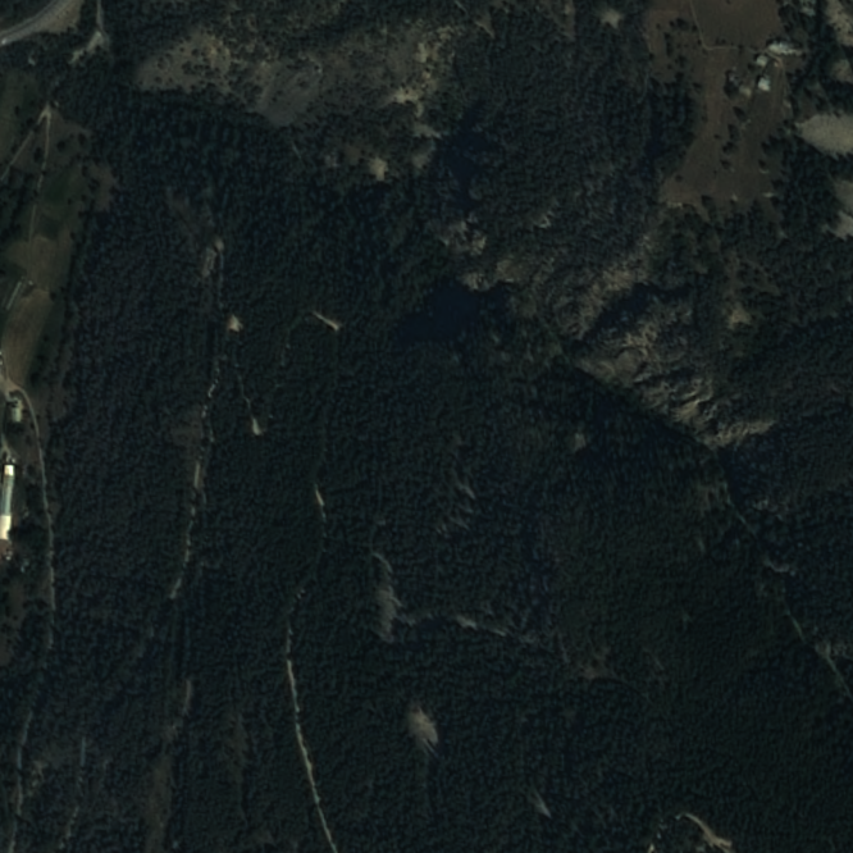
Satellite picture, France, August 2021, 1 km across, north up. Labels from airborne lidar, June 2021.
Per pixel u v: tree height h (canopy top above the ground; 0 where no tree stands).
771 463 9
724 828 14
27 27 0
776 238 14
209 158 9
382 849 15
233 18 9
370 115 10
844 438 19
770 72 0
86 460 12
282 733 18
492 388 11
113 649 12
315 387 17
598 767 14
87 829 11
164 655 10
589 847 19
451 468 9
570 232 6
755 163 0
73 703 10
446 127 8
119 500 11
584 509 12
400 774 14
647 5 16
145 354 12
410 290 16
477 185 9
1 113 0
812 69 9
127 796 12
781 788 22
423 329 17
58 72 11
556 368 21
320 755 12
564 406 21
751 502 12
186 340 9
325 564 16
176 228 13
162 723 6
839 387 19
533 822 14
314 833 13
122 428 18
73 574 10
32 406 0
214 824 18
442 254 9
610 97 6
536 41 10
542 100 11
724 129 0
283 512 10
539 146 14
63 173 0
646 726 9
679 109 16
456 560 13
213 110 13
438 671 16
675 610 22
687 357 6
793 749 22
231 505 7
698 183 0
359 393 13
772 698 22
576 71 7
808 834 21
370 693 14
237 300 11
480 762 11
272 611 14
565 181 12
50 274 0
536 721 15
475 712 9
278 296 11
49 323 0
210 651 12
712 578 16
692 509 14
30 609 8
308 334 16
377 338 11
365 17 9
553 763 17
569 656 6
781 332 22
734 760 13
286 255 9
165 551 8
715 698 12
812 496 15
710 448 9
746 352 8
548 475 12
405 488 6
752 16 0
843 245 12
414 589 13
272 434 10
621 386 9
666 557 11
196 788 18
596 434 15
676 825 13
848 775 25
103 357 11
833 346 16
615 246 8
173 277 10
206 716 15
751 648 12
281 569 13
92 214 7
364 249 21
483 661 10
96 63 7
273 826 13
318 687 14
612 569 14
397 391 7
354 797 11
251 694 13
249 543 8
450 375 9
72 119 7
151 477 14
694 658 18
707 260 10
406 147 10
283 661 9
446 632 17
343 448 15
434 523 14
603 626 21
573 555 10
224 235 9
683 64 8
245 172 15
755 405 17
